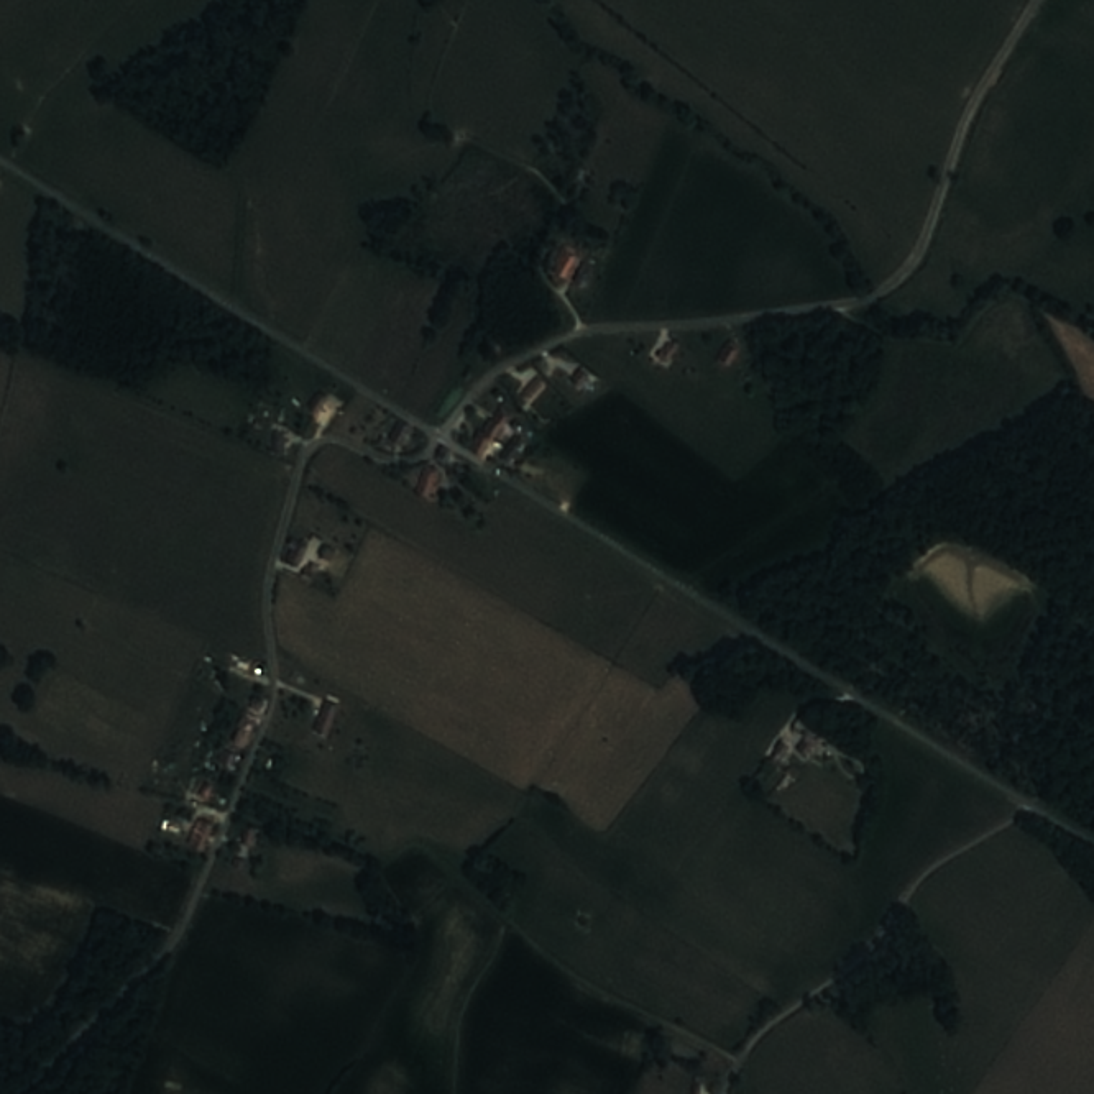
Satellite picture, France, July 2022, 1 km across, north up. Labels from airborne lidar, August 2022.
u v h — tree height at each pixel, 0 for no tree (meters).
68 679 0
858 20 0
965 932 0
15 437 0
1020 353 0
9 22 0
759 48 0
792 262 0
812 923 0
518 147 0
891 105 0
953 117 0
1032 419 17
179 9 0
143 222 0
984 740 17
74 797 0
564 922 0
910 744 0
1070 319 12
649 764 0
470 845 0
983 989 0
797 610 23
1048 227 0
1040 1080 0
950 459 15
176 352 20
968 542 11
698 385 0
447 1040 0
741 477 0
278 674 0
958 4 0
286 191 0
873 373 20
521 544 0
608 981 0
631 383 0
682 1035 0
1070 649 24
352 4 0
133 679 0
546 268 6
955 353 0
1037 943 0
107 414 0
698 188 0
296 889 0
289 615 0
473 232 0
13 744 21
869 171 0
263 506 0
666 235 0
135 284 17
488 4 0
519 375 0
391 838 0
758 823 0
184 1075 0
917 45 0
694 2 0
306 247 0
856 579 27
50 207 15
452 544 0
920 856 0
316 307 0
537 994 0
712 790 0
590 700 0
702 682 24
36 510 0
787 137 0
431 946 0
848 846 0
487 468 0
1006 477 19
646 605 0
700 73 0
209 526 0
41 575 0
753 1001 0
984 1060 0
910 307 0
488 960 0
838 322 20
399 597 0
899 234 0
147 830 0
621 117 0
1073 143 0
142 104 20
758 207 0
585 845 0
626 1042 0
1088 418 16
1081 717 18
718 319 0
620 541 0
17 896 0
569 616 0
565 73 0
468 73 0
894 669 20
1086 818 15
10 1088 18
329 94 0
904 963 30
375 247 11
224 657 0
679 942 0
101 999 16
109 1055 10
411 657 0
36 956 0
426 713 0
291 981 0
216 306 11
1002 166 0
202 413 0
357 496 0
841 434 7
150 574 0
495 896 19
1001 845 0
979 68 0
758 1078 0
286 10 15
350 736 0
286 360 0
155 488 0
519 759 0
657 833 0
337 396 0
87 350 18
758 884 0
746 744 0
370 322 0
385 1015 0
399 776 0
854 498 8
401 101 0
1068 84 0
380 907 11
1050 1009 0
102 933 9
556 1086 0
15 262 0
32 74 0
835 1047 0
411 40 9
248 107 18
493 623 0
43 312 12
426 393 0
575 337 0
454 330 0
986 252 0
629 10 0
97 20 0
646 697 0
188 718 0
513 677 0
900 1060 0
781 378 23
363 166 0
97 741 0
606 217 0
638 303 0
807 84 0
